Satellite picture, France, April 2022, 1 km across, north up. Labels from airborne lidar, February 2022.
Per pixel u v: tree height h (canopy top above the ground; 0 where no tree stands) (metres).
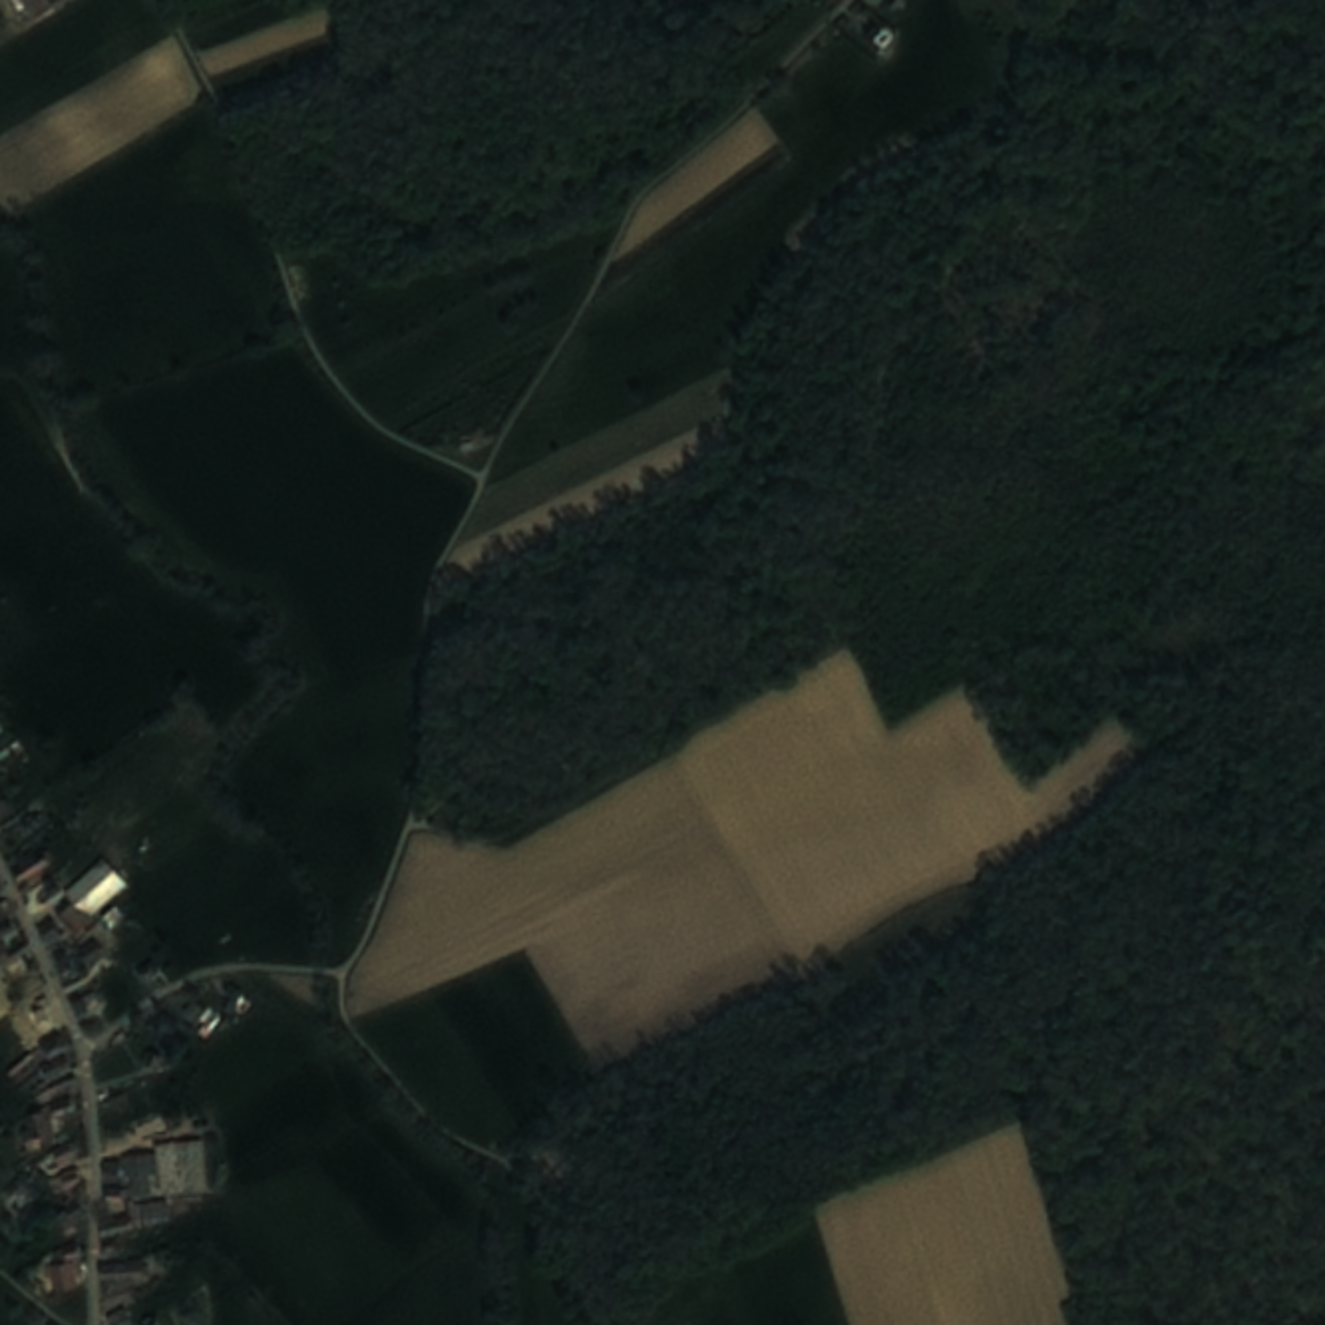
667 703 28
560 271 0
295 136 26
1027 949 31
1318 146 25
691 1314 0
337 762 0
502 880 0
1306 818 32
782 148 0
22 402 0
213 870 0
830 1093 8
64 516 0
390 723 0
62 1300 0
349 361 0
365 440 0
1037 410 19
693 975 0
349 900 0
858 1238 0
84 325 0
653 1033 0
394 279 16
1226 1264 28
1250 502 18
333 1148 0
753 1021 21
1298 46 29
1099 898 34
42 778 0
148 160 0
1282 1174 32
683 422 0
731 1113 21
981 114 16
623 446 0
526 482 0
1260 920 32
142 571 0
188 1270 0
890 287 29
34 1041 0
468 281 0
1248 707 25
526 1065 0
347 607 0
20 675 0
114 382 0
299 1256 0
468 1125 0
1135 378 26
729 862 0
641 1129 29
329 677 0
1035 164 26
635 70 30
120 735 0
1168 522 22
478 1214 0
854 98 0
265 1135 0
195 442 0
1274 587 17
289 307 0
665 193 0
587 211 25
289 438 0
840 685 0
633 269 0
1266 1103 28
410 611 0
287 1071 0
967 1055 36
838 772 0
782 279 25
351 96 30
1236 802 27
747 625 28
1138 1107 30
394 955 0
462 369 0
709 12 28
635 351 0
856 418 19
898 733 0
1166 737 9
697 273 0
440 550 0
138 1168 0
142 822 0
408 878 0
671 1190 28
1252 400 27
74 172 0
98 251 0
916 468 20
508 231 28
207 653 0
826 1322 0
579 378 0
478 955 0
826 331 26
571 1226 29
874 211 32
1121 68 27
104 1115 0
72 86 0
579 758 25
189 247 0
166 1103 0
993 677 17
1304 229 13
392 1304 0
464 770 25
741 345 22
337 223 22
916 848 0
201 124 0
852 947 0
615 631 29
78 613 0
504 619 30
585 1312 28
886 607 9
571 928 0
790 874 0
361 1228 0
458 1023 0
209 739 0
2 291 0
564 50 32
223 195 0
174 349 0
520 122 28
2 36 0
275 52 0
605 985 0
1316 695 22
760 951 0
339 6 22
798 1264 0
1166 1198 28
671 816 0
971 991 32
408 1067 0
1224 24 35
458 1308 0
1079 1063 35
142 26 0
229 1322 0
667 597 23
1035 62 26
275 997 0
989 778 0
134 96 0
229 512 0
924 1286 0
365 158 30
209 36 0
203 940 0
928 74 0
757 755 0
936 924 0
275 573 0
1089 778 0
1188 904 33
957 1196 0
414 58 35
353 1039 9
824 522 26
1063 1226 27
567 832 0
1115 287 15
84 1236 0
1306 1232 34
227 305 0
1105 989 31
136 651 0
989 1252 0
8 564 0
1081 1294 13
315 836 0
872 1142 23
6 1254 18
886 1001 31
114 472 0
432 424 0
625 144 28
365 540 0
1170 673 26
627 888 0
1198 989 35
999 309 0
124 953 0
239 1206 0
